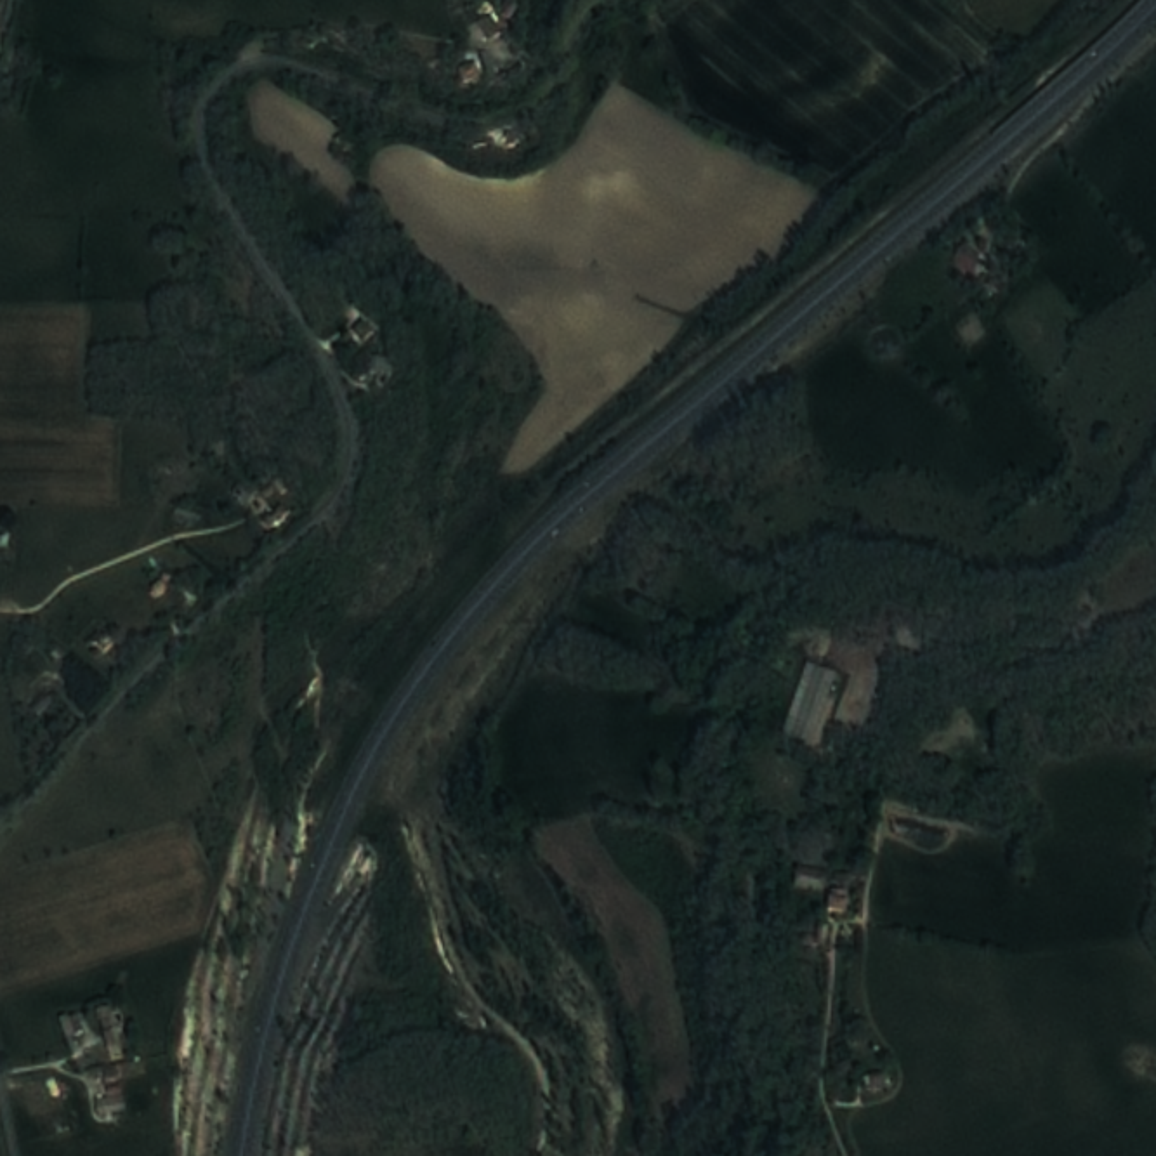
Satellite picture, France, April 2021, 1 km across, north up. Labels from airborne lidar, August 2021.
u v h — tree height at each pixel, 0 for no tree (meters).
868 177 9
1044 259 0
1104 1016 0
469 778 11
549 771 0
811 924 15
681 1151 14
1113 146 0
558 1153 15
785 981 18
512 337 0
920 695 13
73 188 0
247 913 11
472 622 0
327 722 6
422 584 11
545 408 0
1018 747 13
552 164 17
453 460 19
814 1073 9
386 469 17
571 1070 10
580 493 0
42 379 0
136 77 0
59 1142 0
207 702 0
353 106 11
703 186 0
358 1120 15
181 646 15
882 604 10
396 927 8
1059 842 0
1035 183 0
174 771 0
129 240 0
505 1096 17
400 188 0
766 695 15
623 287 0
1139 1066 0
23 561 0
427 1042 16
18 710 11
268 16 0
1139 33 0
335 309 16
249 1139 0
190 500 9
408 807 0
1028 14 0
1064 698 13
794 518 0
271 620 11
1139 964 0
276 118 0
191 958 0
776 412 21
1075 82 0
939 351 0
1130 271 0
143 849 0
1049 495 6
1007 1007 0
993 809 9
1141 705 15
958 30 0
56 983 0
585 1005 7
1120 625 13
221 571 10
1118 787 0
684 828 16
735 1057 22
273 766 9
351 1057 8
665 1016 0
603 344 0
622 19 13
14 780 0
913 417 0
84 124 0
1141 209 0
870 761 14
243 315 13
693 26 0
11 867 0
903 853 0
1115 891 0
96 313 0
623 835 6
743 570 21
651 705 10
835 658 0
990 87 12
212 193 23
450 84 15
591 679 18
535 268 0
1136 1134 0
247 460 16
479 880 10
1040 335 0
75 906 0
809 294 0
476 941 11
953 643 11
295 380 16
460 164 12
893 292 0
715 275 0
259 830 0
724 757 16
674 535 22
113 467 0
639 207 0
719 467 7
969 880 0
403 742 0
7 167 0
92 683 12
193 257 16
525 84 12
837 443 0
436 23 0
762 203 0
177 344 13
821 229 20
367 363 9
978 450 0
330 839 0
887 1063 16
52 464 0
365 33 13
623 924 0
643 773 0
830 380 0
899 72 0
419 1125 12
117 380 13
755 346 0
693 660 18
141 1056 9
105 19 0
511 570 0
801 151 0
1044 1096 0
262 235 14
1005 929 0
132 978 0
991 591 20
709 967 23
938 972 0
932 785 17
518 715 0
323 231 0
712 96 0
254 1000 0
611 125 0
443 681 0
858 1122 0
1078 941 0
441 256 0
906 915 0
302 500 10
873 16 0
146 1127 0
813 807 15
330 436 17
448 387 11
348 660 8
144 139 0
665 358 7
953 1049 0
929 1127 0
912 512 0
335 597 9
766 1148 8
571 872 0
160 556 0
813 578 21
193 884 0
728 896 18
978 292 17
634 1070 18
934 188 0
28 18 0
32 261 0
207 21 0
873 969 0
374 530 15
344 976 0
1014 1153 0
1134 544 12
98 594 0
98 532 0
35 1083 0
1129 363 0
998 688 15
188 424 11
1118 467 0
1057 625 12
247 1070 0
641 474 0
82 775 0
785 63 0
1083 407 0
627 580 17
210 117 11
